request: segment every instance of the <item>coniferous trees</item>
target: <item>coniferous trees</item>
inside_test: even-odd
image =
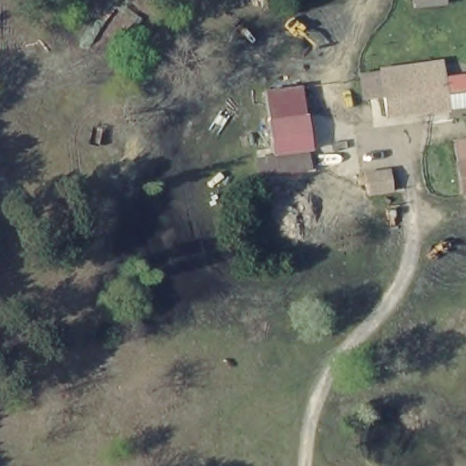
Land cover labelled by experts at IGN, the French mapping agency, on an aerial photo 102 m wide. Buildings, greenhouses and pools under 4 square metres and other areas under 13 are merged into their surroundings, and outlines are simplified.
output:
[[[51,224],[49,218],[35,215],[31,204],[25,202],[29,198],[29,193],[25,191],[24,186],[16,187],[5,195],[2,213],[16,228],[22,242],[24,268],[31,275],[40,275],[51,269],[66,269],[69,275],[73,266],[80,268],[76,264],[78,249],[75,248],[75,238],[80,233],[93,235],[95,231],[89,224],[89,204],[86,195],[82,193],[80,182],[75,177],[62,180],[56,186],[58,195],[66,200],[75,217],[75,224],[69,229],[64,229],[62,233]]]
[[[122,344],[122,337],[120,337],[120,331],[118,331],[118,329],[109,328],[109,333],[107,333],[107,339],[104,340],[104,348],[118,348],[120,344]]]
[[[16,411],[33,410],[35,406],[31,404],[31,382],[27,380],[27,364],[24,360],[16,360],[9,355],[9,342],[0,342],[0,408],[4,410],[5,415],[13,415]]]
[[[299,9],[299,0],[266,0],[269,15],[275,18],[295,15]]]
[[[18,335],[18,339],[33,351],[42,353],[47,360],[64,359],[64,342],[58,337],[55,322],[46,320],[46,315],[42,311],[29,308],[22,293],[16,293],[11,299],[7,299],[4,306],[0,306],[0,324],[9,333]]]
[[[153,22],[171,29],[182,29],[191,22],[193,7],[187,0],[140,0],[144,5],[144,11],[151,16]]]
[[[9,0],[11,16],[15,20],[20,20],[24,24],[38,24],[42,20],[46,29],[53,24],[64,24],[69,31],[76,31],[89,13],[87,4],[80,4],[78,0]]]
[[[157,62],[158,53],[155,47],[149,46],[149,31],[146,27],[120,29],[111,25],[107,29],[106,62],[115,73],[142,82],[146,82],[149,76],[158,71],[158,67],[153,64]]]

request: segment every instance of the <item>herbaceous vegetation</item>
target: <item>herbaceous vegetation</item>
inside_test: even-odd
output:
[[[433,60],[444,62],[448,56],[455,56],[462,66],[466,66],[466,0],[451,0],[448,5],[417,7],[413,0],[393,0],[382,9],[379,20],[366,29],[370,36],[364,42],[364,46],[357,51],[362,73],[377,73],[382,67],[408,66]]]
[[[431,208],[439,209],[442,220],[428,235],[420,238],[417,268],[404,297],[399,300],[397,308],[391,311],[390,317],[373,331],[371,339],[368,340],[373,364],[373,382],[370,388],[351,395],[337,393],[331,388],[320,411],[311,466],[466,466],[466,200],[459,195],[461,173],[455,146],[451,144],[450,138],[444,138],[439,144],[426,144],[422,158],[417,158],[415,162],[417,175],[424,180],[422,200],[426,200]],[[371,410],[375,411],[375,420],[368,422],[357,433],[357,437],[346,437],[340,433],[339,422],[355,404],[370,404]]]
[[[349,331],[368,319],[371,311],[377,308],[384,291],[393,282],[399,269],[404,249],[402,220],[408,213],[408,208],[404,198],[391,195],[373,195],[366,198],[370,204],[371,217],[355,218],[355,224],[348,231],[337,233],[337,237],[331,240],[328,248],[322,244],[297,242],[289,251],[288,257],[291,257],[293,271],[289,273],[288,279],[280,282],[251,282],[235,279],[231,273],[231,264],[237,257],[237,249],[218,248],[215,224],[218,197],[222,197],[228,182],[233,180],[235,175],[244,178],[260,173],[258,160],[275,153],[269,89],[273,89],[273,86],[277,89],[284,86],[304,87],[308,82],[322,80],[326,66],[326,49],[339,46],[348,35],[353,11],[344,4],[346,0],[299,0],[299,9],[295,15],[275,18],[269,15],[266,0],[187,0],[193,7],[191,22],[182,29],[171,29],[153,22],[151,16],[144,11],[144,5],[140,0],[78,0],[80,4],[87,4],[89,13],[76,31],[69,31],[64,24],[53,24],[46,29],[42,20],[38,24],[24,24],[20,20],[15,20],[11,16],[9,0],[0,0],[0,306],[4,306],[7,299],[11,299],[16,293],[22,293],[29,308],[42,311],[46,315],[46,320],[55,322],[58,337],[64,342],[64,359],[47,360],[42,353],[33,351],[18,339],[18,335],[9,333],[0,324],[0,342],[9,342],[9,355],[16,360],[24,360],[27,364],[27,380],[31,382],[31,404],[35,406],[33,410],[16,411],[13,415],[5,415],[4,410],[0,408],[0,466],[299,466],[302,426],[308,410],[309,397],[319,380],[320,373],[326,370],[324,362],[331,353],[339,349]],[[155,47],[158,53],[157,62],[153,64],[158,67],[158,71],[149,76],[146,82],[142,82],[144,93],[138,96],[135,102],[131,100],[131,96],[120,93],[115,100],[102,102],[102,86],[106,86],[109,78],[115,73],[106,62],[107,29],[111,25],[120,29],[146,27],[149,31],[149,46]],[[76,264],[80,268],[73,266],[69,275],[66,269],[51,269],[40,275],[31,275],[24,268],[22,242],[16,228],[2,213],[5,195],[16,187],[24,186],[25,191],[29,193],[29,198],[25,202],[31,204],[35,215],[49,218],[51,224],[62,233],[64,229],[69,229],[75,224],[75,217],[66,200],[58,195],[56,186],[62,180],[75,177],[80,182],[82,193],[86,195],[89,204],[89,224],[95,231],[93,235],[80,233],[75,238],[75,248],[78,249]],[[151,304],[149,315],[131,322],[116,322],[113,313],[98,302],[98,297],[118,277],[124,262],[129,258],[146,260],[149,268],[160,269],[164,273],[164,280],[153,284],[144,295]],[[317,299],[333,309],[333,328],[326,339],[320,342],[304,340],[300,337],[299,331],[293,328],[289,306],[302,299]],[[120,344],[118,348],[104,348],[104,340],[107,339],[107,333],[109,333],[109,328],[118,329],[118,331],[120,331],[120,337],[122,337],[122,344]],[[131,457],[126,462],[111,459],[102,462],[98,459],[100,448],[111,441],[111,437],[120,437],[122,441],[131,444]]]

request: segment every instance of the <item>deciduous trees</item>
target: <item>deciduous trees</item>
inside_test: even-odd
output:
[[[371,410],[370,404],[355,404],[339,422],[340,433],[346,437],[357,437],[357,433],[368,422],[375,420],[375,411]]]
[[[131,96],[131,100],[135,102],[138,96],[144,93],[142,82],[115,73],[109,78],[106,86],[102,86],[102,102],[115,100],[120,93]]]
[[[333,328],[333,309],[317,299],[302,299],[289,306],[293,328],[299,331],[300,337],[304,340],[320,342],[326,339]]]
[[[100,448],[98,459],[102,462],[111,459],[126,462],[131,457],[131,444],[122,441],[120,437],[111,437],[111,441]]]
[[[146,260],[129,258],[124,262],[118,277],[98,297],[98,302],[113,313],[116,322],[131,322],[149,315],[151,304],[144,295],[153,284],[164,280],[164,273],[160,269],[149,268]]]
[[[333,382],[331,388],[337,393],[351,395],[370,388],[373,382],[373,364],[368,340],[351,351],[339,349],[331,353],[324,362],[326,370]]]
[[[251,218],[251,197],[271,198],[262,173],[260,173],[244,178],[235,175],[233,180],[228,182],[222,197],[218,197],[215,224],[218,248],[237,249],[237,257],[231,264],[231,273],[235,279],[251,282],[280,282],[288,279],[289,273],[293,271],[291,257],[288,257],[282,260],[268,258],[266,262],[258,264],[253,255],[253,248],[242,238],[244,228]]]

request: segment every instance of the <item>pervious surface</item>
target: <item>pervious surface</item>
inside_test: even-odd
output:
[[[322,244],[328,248],[331,240],[337,237],[337,233],[348,231],[355,224],[355,218],[371,217],[370,204],[366,198],[373,195],[370,171],[375,162],[379,166],[393,167],[395,187],[391,195],[404,198],[408,208],[408,213],[402,220],[404,249],[399,269],[393,282],[384,291],[377,308],[371,311],[368,319],[349,331],[339,349],[351,351],[368,340],[371,339],[373,331],[390,317],[391,311],[397,308],[399,300],[404,297],[417,268],[420,238],[428,235],[442,220],[439,209],[431,208],[426,200],[422,200],[424,180],[417,175],[415,162],[417,158],[422,158],[426,144],[439,144],[444,138],[450,138],[451,144],[455,146],[461,140],[466,140],[466,107],[455,109],[450,118],[446,124],[419,120],[408,126],[375,127],[370,104],[362,106],[362,87],[359,78],[362,73],[357,51],[364,46],[364,42],[370,36],[366,29],[379,20],[382,9],[393,0],[346,0],[344,4],[353,11],[348,35],[339,46],[326,49],[326,66],[322,80],[308,82],[304,87],[315,138],[315,146],[311,151],[311,164],[315,169],[313,173],[262,173],[271,198],[251,197],[251,218],[244,228],[242,238],[253,248],[253,255],[258,264],[266,262],[268,258],[282,260],[288,257],[289,251],[297,242]]]
[[[319,380],[309,397],[308,410],[302,426],[299,466],[311,466],[320,411],[331,388],[333,382],[326,370],[320,373]]]

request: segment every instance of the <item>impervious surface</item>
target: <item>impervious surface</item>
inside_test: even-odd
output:
[[[444,62],[448,75],[466,75],[466,66],[462,66],[455,56],[448,56]]]
[[[433,118],[431,115],[410,115],[390,118],[388,98],[371,100],[370,104],[375,127],[408,126],[419,120],[446,124],[450,118],[444,115]]]

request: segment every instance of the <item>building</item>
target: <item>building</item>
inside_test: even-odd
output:
[[[315,138],[304,87],[284,86],[277,89],[273,86],[273,89],[269,89],[275,153],[258,160],[260,173],[262,173],[313,173],[315,169],[311,164],[311,151],[315,146]]]
[[[461,173],[459,195],[466,200],[466,140],[461,140],[455,146]]]
[[[371,100],[388,98],[390,118],[410,115],[431,115],[433,118],[444,115],[450,118],[455,109],[466,107],[466,75],[448,75],[444,62],[433,60],[408,66],[382,67],[377,73],[362,73],[359,78],[362,87],[362,106],[370,104]]]
[[[413,0],[417,7],[448,5],[451,0]]]
[[[393,167],[379,166],[375,162],[370,171],[373,195],[391,195],[395,187]]]

